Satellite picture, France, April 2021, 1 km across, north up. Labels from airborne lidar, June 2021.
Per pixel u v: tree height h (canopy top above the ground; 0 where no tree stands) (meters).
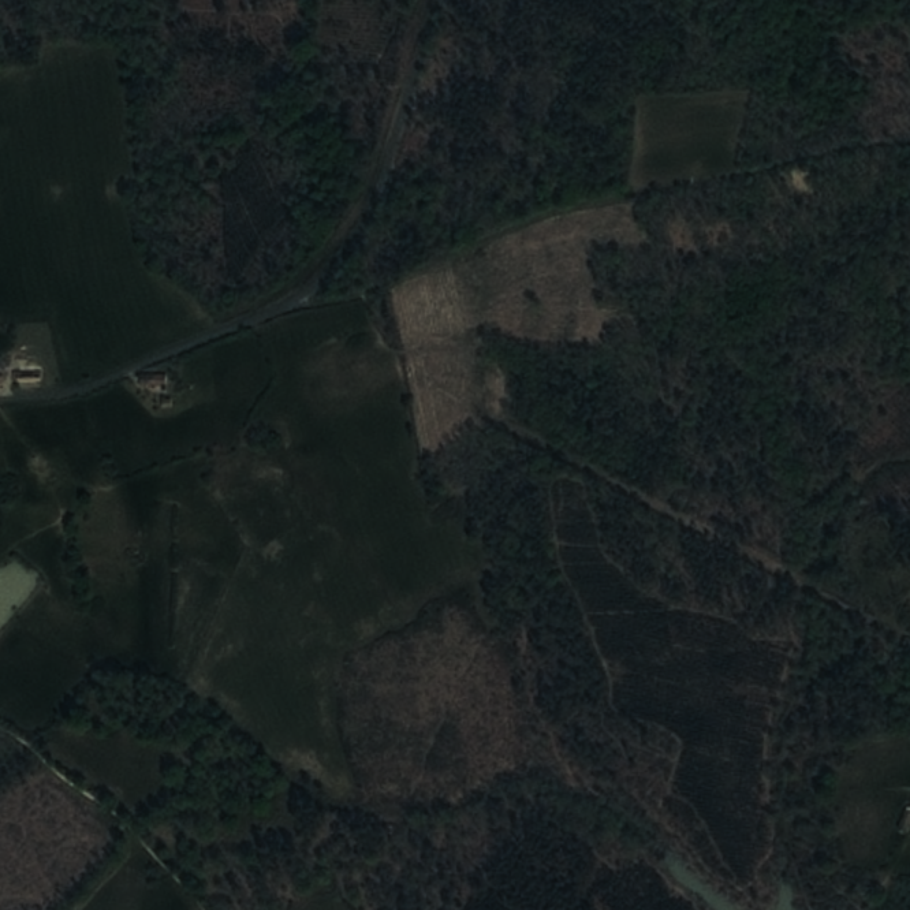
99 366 0
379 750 0
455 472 19
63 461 0
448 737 0
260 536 0
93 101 0
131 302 0
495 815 23
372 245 16
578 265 0
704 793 6
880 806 0
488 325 0
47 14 16
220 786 17
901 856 0
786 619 16
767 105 16
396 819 0
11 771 20
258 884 26
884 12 21
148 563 0
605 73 26
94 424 0
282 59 8
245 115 11
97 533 0
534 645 18
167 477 0
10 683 0
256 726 0
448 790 0
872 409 18
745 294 16
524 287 0
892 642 19
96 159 0
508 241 0
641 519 12
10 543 0
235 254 9
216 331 0
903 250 16
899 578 0
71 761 0
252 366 0
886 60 10
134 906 0
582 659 14
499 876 23
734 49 16
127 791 0
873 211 15
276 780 24
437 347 0
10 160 0
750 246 11
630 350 13
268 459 0
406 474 0
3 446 0
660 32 25
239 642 0
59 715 9
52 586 0
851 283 22
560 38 25
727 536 24
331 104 13
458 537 0
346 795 0
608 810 21
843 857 0
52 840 0
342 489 0
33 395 0
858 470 6
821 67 16
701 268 16
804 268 21
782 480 12
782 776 9
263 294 16
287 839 18
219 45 7
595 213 0
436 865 14
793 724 8
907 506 10
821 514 17
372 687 0
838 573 15
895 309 20
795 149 10
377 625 0
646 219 18
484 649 7
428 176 10
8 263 0
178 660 0
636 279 10
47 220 0
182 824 20
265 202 7
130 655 0
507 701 0
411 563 0
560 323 0
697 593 8
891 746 0
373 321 9
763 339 10
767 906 7
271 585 0
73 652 0
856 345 13
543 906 23
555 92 16
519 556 14
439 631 0
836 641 18
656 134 0
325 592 0
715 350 19
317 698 0
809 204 8
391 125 0
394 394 0
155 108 17
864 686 26
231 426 0
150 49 18
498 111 24
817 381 15
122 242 0
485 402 0
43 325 0
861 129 8
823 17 19
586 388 20
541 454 18
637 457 14
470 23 25
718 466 12
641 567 21
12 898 0
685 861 12
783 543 14
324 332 0
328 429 0
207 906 16
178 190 22
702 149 0
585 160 15
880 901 19
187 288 16
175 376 6
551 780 13
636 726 19
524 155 14
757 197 12
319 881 15
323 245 18
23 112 0
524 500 16
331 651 0
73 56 0
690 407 9
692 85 11
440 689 0
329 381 0
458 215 24
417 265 19
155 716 23
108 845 0
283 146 17
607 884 10
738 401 21
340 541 0
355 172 14
